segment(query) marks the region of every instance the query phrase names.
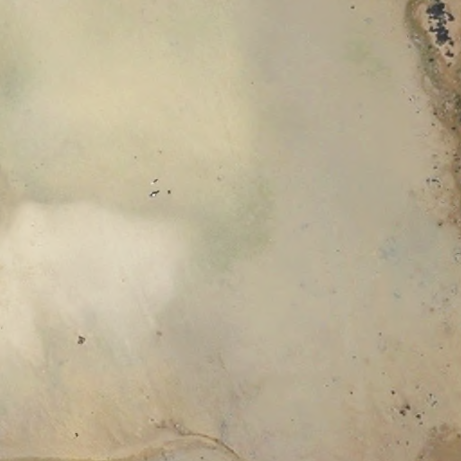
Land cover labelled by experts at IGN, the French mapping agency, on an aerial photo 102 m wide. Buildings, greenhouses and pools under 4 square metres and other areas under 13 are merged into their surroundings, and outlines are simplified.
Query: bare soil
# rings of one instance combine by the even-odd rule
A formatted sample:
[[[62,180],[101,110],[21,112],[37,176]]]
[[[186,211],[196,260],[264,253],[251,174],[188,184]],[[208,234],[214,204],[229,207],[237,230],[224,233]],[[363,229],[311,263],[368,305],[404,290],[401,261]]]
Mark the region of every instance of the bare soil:
[[[0,0],[0,461],[461,461],[461,0]]]

